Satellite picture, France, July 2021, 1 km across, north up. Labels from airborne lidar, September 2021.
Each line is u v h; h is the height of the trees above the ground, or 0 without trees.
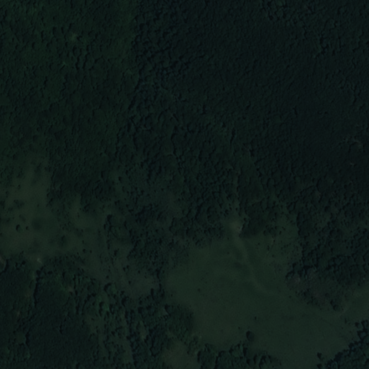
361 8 30
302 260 6
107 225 12
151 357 23
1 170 7
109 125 22
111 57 22
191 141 27
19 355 20
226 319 0
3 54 21
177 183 17
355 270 17
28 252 0
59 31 38
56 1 8
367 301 0
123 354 12
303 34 35
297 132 25
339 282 9
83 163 7
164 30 8
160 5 30
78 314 10
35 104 10
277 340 0
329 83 26
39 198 0
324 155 29
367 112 22
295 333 0
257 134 22
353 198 20
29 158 0
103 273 0
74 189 16
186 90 26
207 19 18
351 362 23
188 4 35
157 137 9
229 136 38
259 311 0
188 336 13
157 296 16
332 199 14
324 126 25
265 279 0
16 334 22
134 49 16
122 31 20
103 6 22
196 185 27
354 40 28
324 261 27
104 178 20
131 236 8
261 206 16
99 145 16
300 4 35
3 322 32
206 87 24
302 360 0
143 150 9
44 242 0
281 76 23
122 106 23
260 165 29
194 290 0
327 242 8
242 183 23
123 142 24
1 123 13
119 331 6
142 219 16
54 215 0
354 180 15
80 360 18
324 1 34
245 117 26
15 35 6
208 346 21
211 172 21
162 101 21
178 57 25
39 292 25
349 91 28
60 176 17
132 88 24
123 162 17
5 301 26
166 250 0
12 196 0
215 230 20
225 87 22
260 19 28
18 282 29
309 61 24
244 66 18
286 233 0
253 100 14
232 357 25
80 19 14
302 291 7
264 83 22
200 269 0
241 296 0
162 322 11
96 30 9
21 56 25
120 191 0
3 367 22
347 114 27
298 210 17
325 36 31
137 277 0
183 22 26
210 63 31
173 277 0
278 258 0
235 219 0
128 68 11
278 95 19
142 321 14
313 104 26
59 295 24
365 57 33
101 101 15
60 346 28
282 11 36
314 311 0
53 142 21
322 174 23
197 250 0
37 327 24
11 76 23
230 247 0
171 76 33
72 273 25
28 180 0
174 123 26
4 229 0
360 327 19
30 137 22
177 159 19
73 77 33
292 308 0
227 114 27
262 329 0
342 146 31
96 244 0
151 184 9
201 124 29
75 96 26
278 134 26
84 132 11
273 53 25
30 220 0
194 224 9
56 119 15
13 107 6
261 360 10
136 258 13
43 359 25
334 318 0
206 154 21
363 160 21
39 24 26
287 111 23
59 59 10
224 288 0
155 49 25
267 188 22
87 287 17
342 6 30
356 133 8
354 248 13
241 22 23
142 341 14
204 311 0
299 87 23
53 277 25
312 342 0
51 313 26
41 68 19
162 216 8
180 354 0
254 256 0
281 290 0
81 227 0
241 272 0
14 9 28
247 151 37
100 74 25
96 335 15
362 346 17
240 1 28
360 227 10
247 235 8
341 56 32
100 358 14
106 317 15
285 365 0
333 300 8
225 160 21
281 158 24
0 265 24
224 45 30
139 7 22
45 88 12
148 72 31
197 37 19
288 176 16
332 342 0
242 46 23
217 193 17
